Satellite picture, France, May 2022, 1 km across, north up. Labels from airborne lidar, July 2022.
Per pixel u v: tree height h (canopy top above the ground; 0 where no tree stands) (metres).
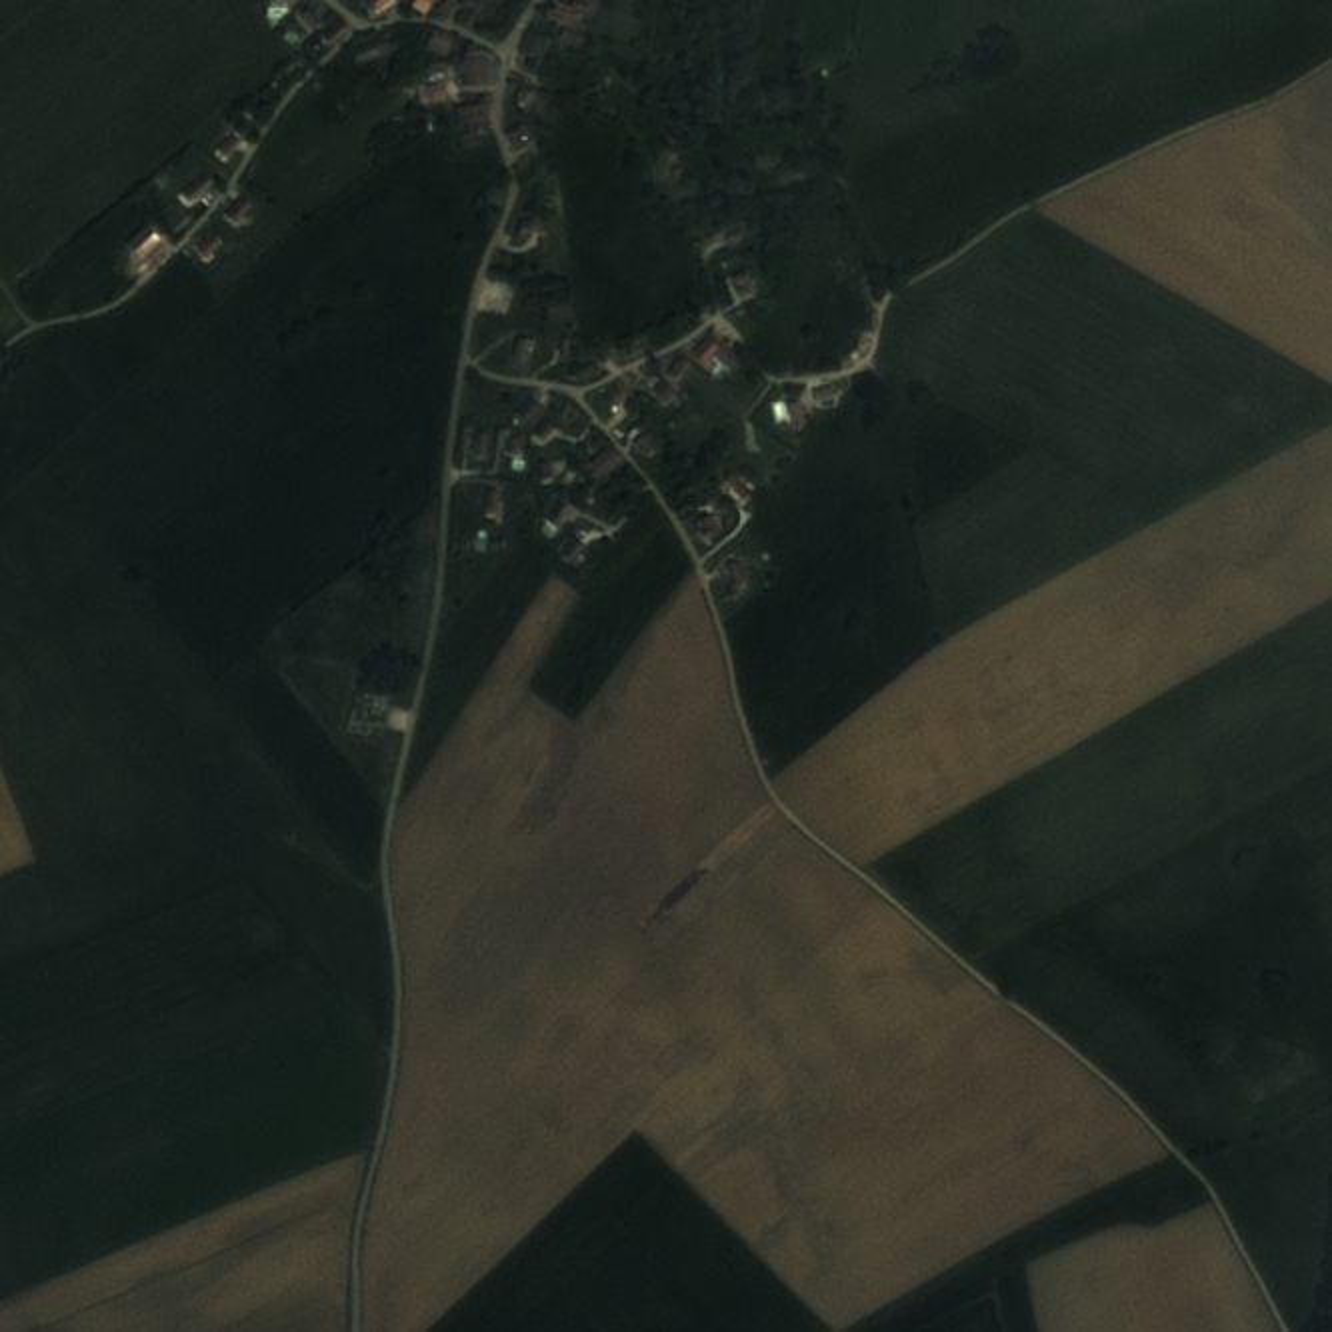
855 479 0
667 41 0
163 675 0
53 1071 0
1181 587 0
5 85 0
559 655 0
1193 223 0
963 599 0
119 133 0
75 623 0
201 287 0
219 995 0
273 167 0
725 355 0
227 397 0
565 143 0
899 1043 0
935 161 0
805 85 18
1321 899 0
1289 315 0
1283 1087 0
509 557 0
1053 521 0
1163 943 0
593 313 0
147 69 0
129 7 0
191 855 0
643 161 11
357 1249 0
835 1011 0
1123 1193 0
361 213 0
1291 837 0
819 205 12
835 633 0
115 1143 0
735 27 20
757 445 0
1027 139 0
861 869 0
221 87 0
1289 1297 0
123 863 0
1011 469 0
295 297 0
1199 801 0
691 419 0
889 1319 0
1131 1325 0
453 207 0
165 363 0
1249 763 0
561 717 0
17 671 0
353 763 0
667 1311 0
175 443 0
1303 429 0
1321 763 0
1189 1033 0
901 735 0
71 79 0
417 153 0
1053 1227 0
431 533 0
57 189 0
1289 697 0
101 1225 0
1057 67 0
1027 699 0
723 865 0
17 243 0
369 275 0
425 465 0
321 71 8
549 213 5
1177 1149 0
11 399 0
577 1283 0
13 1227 0
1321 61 0
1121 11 0
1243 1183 0
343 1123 0
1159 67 0
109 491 0
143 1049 0
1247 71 0
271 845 0
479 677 0
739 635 0
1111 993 0
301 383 0
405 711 0
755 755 0
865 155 0
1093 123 0
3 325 0
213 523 0
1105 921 0
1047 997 0
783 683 0
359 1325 0
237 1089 0
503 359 0
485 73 0
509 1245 0
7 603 0
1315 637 0
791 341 0
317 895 0
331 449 0
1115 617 0
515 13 7
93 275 0
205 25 0
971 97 0
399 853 0
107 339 0
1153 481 0
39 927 0
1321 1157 0
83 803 0
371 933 0
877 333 0
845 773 0
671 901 0
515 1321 0
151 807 0
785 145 0
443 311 0
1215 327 0
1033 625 0
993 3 0
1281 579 0
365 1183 0
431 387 0
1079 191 0
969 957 0
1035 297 0
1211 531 0
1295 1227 0
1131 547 0
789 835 0
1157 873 0
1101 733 0
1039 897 0
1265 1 0
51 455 0
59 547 0
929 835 0
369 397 0
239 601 0
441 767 0
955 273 0
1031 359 0
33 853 0
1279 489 0
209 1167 0
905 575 0
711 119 21
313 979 0
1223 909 0
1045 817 0
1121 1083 0
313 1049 0
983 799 0
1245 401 0
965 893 0
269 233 0
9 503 0
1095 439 0
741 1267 0
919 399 17
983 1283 0
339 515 0
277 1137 0
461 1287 0
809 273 0
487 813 0
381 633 0
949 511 0
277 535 0
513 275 9
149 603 0
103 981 0
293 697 0
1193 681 0
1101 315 0
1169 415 0
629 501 9
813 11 0
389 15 0
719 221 8
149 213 0
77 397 0
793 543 0
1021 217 0
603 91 6
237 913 0
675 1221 0
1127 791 0
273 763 0
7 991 0
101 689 0
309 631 0
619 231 0
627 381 0
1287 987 20
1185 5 0
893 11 0
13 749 0
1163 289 0
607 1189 0
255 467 0
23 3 0
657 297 0
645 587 0
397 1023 0
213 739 0
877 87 0
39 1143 0
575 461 9
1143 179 0
